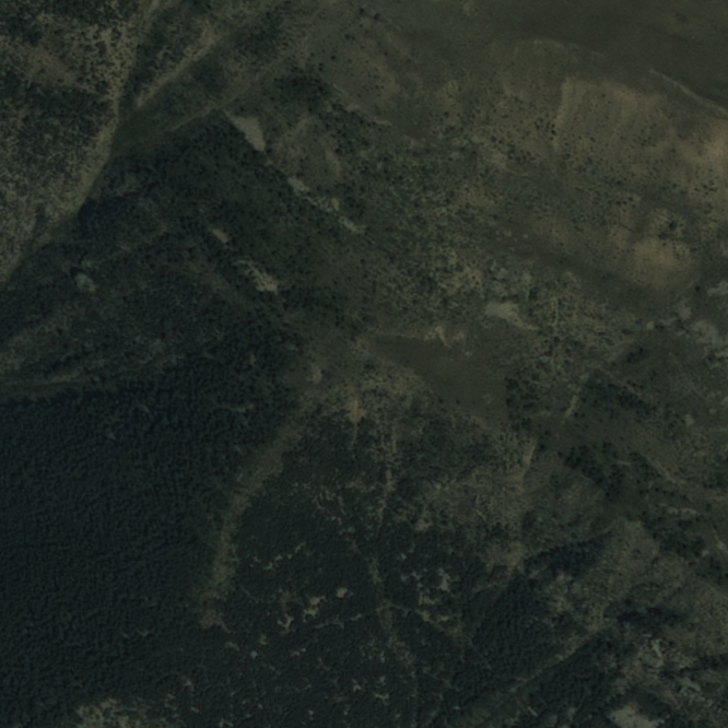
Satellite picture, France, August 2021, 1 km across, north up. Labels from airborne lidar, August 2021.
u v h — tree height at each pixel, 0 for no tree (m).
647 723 0
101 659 8
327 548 11
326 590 8
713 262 0
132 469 9
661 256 0
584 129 0
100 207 11
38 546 12
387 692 7
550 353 7
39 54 0
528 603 14
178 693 9
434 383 0
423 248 0
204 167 6
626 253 0
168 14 0
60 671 9
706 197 0
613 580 0
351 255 0
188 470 9
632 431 0
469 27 0
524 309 0
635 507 0
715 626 0
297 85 11
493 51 0
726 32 0
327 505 7
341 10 0
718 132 0
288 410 8
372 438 11
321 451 7
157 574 9
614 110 0
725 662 9
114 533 13
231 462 8
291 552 11
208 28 0
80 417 16
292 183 0
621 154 0
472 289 0
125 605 12
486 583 12
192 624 8
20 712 10
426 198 0
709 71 0
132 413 11
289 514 10
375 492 7
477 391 0
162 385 10
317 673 8
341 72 0
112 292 0
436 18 0
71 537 13
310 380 0
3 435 14
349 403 0
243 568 5
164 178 7
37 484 10
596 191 0
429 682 7
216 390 8
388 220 0
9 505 8
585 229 0
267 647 9
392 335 0
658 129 0
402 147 0
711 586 0
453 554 14
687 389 0
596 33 0
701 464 0
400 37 0
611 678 6
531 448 0
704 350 0
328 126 8
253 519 7
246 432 7
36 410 13
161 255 14
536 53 0
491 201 0
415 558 8
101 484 11
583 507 0
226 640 7
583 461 11
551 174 0
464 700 8
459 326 0
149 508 8
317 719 11
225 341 8
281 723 11
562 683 8
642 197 0
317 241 0
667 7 0
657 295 0
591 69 0
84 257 7
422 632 8
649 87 0
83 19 10
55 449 12
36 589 17
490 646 7
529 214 0
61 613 19
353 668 13
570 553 11
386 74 0
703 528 0
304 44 0
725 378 0
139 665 9
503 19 0
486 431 0
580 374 0
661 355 0
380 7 0
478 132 0
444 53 0
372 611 7
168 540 12
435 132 0
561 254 0
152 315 5
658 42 0
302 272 8
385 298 0
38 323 9
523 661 7
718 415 0
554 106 0
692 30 0
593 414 0
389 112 0
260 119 0
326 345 0
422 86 0
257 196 0
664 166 0
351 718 11
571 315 0
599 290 0
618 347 0
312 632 8
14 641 11
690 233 0
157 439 15
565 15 0
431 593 6
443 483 8
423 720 9
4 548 15
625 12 0
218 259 7
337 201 0
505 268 0
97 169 0
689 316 0
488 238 0
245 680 13
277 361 9
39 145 6
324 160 0
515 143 0
